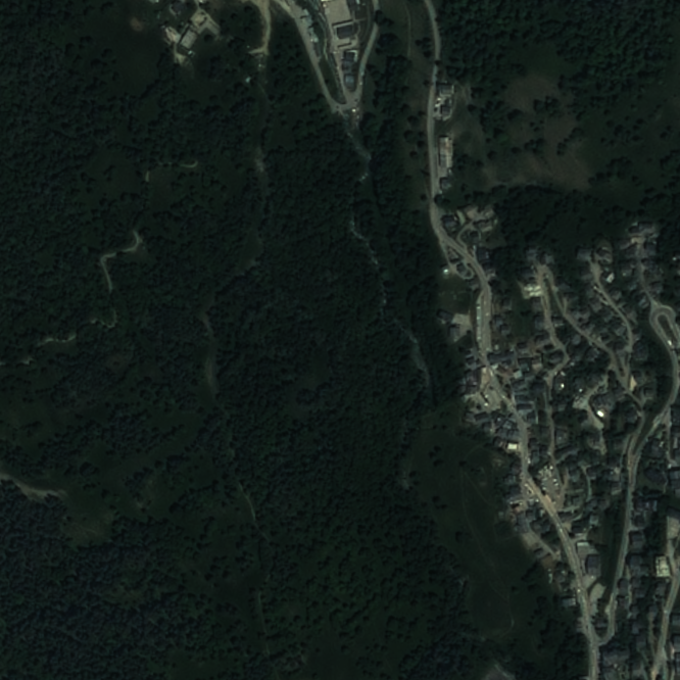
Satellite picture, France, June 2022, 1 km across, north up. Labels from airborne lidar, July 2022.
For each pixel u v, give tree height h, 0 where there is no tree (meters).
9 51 12
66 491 0
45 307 11
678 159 16
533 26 9
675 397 0
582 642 12
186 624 15
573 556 0
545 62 0
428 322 22
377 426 17
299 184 14
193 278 18
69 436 12
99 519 0
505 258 9
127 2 0
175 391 21
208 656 13
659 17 16
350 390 19
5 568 32
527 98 0
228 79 18
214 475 0
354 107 0
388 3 0
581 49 12
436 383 15
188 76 0
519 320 0
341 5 0
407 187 15
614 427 6
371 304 16
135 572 6
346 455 11
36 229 12
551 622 15
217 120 27
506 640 0
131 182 0
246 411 15
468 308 0
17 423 0
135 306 15
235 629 13
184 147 14
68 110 21
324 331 15
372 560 18
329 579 12
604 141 11
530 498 0
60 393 15
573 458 11
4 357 11
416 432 9
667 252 7
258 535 12
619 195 0
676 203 20
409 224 21
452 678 15
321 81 0
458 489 0
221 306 9
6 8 9
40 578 31
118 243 10
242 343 17
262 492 13
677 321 10
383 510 15
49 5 15
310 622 15
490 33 15
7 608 22
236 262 12
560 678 9
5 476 0
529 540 0
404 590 23
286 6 0
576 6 18
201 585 0
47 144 13
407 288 0
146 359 14
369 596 13
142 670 25
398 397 14
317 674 9
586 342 13
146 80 0
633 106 7
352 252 15
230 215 12
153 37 0
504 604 0
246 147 20
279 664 21
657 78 12
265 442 18
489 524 0
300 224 15
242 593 0
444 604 14
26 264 19
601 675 6
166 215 12
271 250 11
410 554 18
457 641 13
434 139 0
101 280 11
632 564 0
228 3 0
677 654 0
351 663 0
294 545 6
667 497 10
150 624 29
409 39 0
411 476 11
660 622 10
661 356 12
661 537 15
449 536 0
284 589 8
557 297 0
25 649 11
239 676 17
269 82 0
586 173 0
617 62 10
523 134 0
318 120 15
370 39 0
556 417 10
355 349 18
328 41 0
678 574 0
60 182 24
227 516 0
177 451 0
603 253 0
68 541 12
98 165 0
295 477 21
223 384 14
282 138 0
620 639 8
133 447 14
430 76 0
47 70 21
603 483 12
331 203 9
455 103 0
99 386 22
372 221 11
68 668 21
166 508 0
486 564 0
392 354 18
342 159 20
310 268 18
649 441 6
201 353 0
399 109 12
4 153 17
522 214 9
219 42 0
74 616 33
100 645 10
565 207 7
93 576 10
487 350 0
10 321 12
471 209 0
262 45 0
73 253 17
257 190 16
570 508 0
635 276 10
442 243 0
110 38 0
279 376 7
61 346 0
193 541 10
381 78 18
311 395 19
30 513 31
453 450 0
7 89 18
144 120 0
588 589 0
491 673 0
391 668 0
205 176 13
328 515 15
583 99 14
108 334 12
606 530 0
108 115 21
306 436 19
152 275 9
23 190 14
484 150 0
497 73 10
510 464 0
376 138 18
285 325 15
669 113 0
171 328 22
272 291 11
